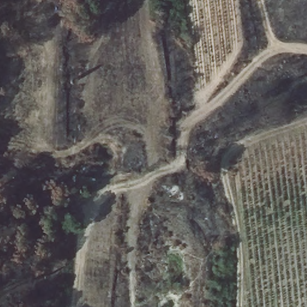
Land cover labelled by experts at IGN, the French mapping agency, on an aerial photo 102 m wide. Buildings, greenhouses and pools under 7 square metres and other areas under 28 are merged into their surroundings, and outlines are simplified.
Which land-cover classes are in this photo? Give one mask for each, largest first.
<instances>
[{"label":"bare soil","instance_id":"1","mask_svg":"<svg viewBox=\"0 0 307 307\"><path fill-rule=\"evenodd\" d=\"M62 8L60 0H0V180L12 188L29 189H36L44 176L66 181L71 193L79 189L83 199L77 205V210L78 213H88L85 222L89 224L85 229H80L79 234L67 231L60 234L55 240L56 251L44 260L46 270L40 275L30 278H6L5 281L0 277V307H131L128 281L130 267L127 265V255L132 251L137 253L136 307H209L204 305V300L211 294L204 289L205 282L209 281L205 263L216 260L217 254L223 255L225 237L237 233L233 225V206L224 194L221 169H228L233 173L240 170L235 164L245 152V146L237 142L258 130H270L307 116V54L272 55L221 107L212 110L205 119L192 127L188 136L185 165L181 170L165 174L152 182L148 209L138 216L136 246H128L125 239L130 216V204L126 195L107 192L102 195L101 200L94 201V198L97 192L107 185L139 179L140 176L174 161L176 143L180 137L177 121L187 118L195 109L194 94L195 84L198 83L201 73L195 71L197 58L194 47L204 29L193 24L191 34L171 36L170 31L162 29L163 12L152 7L150 0H100L97 13H91L89 17L92 25L85 30L86 35L92 36L91 41L80 43L72 29L59 25L58 13ZM85 241L89 242L85 255V279L82 288L77 290L73 287L76 278L74 263L78 249L82 248ZM242 46L233 66L207 97L206 101L211 102L269 43L257 0H239ZM273 34L278 40L307 44V0H264Z\"/></svg>","mask_w":307,"mask_h":307},{"label":"vineyard","instance_id":"2","mask_svg":"<svg viewBox=\"0 0 307 307\"><path fill-rule=\"evenodd\" d=\"M189 5L192 6L189 18L193 24L204 29L194 47L197 58L195 71L201 73L198 83L195 84L194 94L210 83L212 68L223 65L231 53L234 42H239L242 46L239 0H189ZM245 146V152L235 164L240 170L233 173L228 169H221L224 194L233 206V225L237 233L240 235V243L236 252V307H307V116L270 130H258L237 142Z\"/></svg>","mask_w":307,"mask_h":307},{"label":"coniferous trees","instance_id":"3","mask_svg":"<svg viewBox=\"0 0 307 307\"><path fill-rule=\"evenodd\" d=\"M62 8L58 13L59 25L72 29L80 43L91 41L92 36L86 35L85 30L92 25L89 17L91 13H97L100 0H60ZM83 199L79 189L71 193L66 181L44 176L36 189H29L12 188L0 180V277L5 281L6 278H30L40 275L46 270L44 260L56 251L55 240L60 234L67 231L79 234L80 229H85L89 224L85 222L88 213H78L77 210V205Z\"/></svg>","mask_w":307,"mask_h":307},{"label":"pervious surface","instance_id":"4","mask_svg":"<svg viewBox=\"0 0 307 307\"><path fill-rule=\"evenodd\" d=\"M269 43L211 102L206 101L207 97L233 66L242 46L239 42H234L231 53L223 65L212 68L210 83L194 94L195 109L187 118L177 121L180 137L176 143L174 161L140 176L139 179L107 185L97 192L94 198V201L101 200L102 195L107 192L126 195L130 204V216L125 239L128 246H136L138 216L148 209L152 182L165 174L181 170L185 165L188 136L192 127L205 119L212 110L221 107L272 55L307 54V44L278 40L273 34L264 0H257ZM89 242L85 241L82 248L78 249L74 263L76 278L73 287L77 290L82 288L85 279V255ZM137 253L132 251L127 255V265L130 267L128 281L131 307H136Z\"/></svg>","mask_w":307,"mask_h":307},{"label":"brushwood","instance_id":"5","mask_svg":"<svg viewBox=\"0 0 307 307\"><path fill-rule=\"evenodd\" d=\"M152 7L163 12L162 29L170 31L171 36L191 34L193 24L189 18L192 6L189 5V0H150ZM240 243V235L237 233L225 237L223 255L217 254L216 260L205 263L209 281L205 282L204 289L211 294L204 300V305L209 307H236V252Z\"/></svg>","mask_w":307,"mask_h":307}]
</instances>
